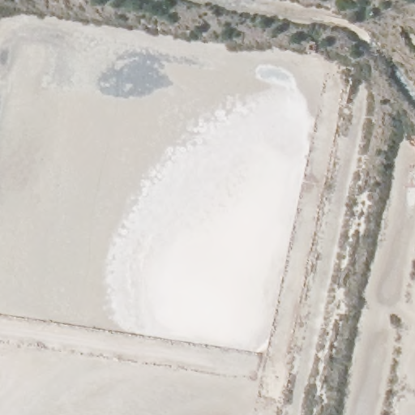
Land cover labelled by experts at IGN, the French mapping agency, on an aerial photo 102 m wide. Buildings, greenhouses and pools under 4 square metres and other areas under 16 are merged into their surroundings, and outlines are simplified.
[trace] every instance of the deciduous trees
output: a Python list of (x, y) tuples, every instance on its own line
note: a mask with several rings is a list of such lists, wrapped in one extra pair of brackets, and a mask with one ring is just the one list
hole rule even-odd
[(366, 6), (370, 0), (337, 0), (337, 10), (352, 10), (353, 18), (350, 21), (358, 23), (365, 21)]

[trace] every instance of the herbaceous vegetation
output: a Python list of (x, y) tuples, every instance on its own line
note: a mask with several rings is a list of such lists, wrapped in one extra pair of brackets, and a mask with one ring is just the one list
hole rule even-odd
[(170, 36), (182, 41), (224, 42), (225, 47), (232, 52), (269, 49), (290, 50), (302, 55), (316, 52), (329, 62), (344, 65), (344, 84), (350, 88), (347, 102), (353, 102), (362, 83), (366, 84), (368, 94), (363, 144), (360, 148), (368, 160), (365, 170), (355, 170), (353, 173), (339, 240), (340, 248), (345, 248), (349, 233), (353, 233), (350, 261), (347, 267), (336, 264), (331, 280), (337, 287), (344, 287), (347, 308), (357, 302), (357, 284), (366, 259), (368, 245), (363, 233), (366, 229), (366, 214), (370, 204), (376, 203), (379, 198), (378, 188), (374, 188), (373, 183), (381, 180), (384, 159), (376, 156), (376, 151), (387, 149), (389, 146), (389, 136), (392, 133), (391, 118), (399, 110), (405, 110), (410, 122), (415, 125), (415, 110), (407, 104), (396, 86), (389, 86), (384, 63), (391, 57), (396, 62), (397, 76), (405, 76), (415, 86), (415, 0), (370, 0), (366, 6), (365, 21), (358, 23), (371, 36), (370, 41), (365, 42), (360, 39), (357, 32), (337, 24), (293, 23), (289, 19), (280, 19), (276, 16), (242, 13), (216, 3), (193, 0), (0, 0), (0, 19), (16, 15), (32, 15), (37, 18), (52, 16), (94, 26), (112, 26), (128, 31), (138, 29), (148, 32), (151, 36)]
[(337, 10), (337, 0), (285, 0), (284, 6), (293, 10), (300, 10), (300, 6), (321, 8), (350, 21), (353, 18), (352, 10)]
[(323, 397), (316, 396), (316, 384), (308, 384), (303, 399), (302, 415), (344, 415), (349, 371), (358, 329), (350, 326), (350, 323), (345, 323), (344, 318), (340, 316), (334, 323), (334, 337), (331, 339), (329, 355), (324, 366), (323, 384), (326, 386), (327, 404), (324, 404)]

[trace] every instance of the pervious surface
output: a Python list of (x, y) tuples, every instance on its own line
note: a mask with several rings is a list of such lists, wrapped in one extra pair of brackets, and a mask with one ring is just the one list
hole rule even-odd
[(370, 277), (365, 289), (365, 306), (358, 321), (358, 329), (349, 371), (344, 415), (415, 415), (415, 136), (410, 141), (404, 139), (397, 151), (392, 173), (391, 196), (381, 220), (378, 246), (371, 263)]
[(370, 41), (371, 36), (358, 23), (350, 21), (321, 8), (300, 6), (300, 10), (293, 10), (284, 6), (285, 0), (193, 0), (216, 3), (242, 13), (276, 16), (280, 19), (289, 19), (293, 23), (337, 24), (357, 32), (360, 39), (365, 42)]
[(52, 16), (37, 18), (32, 15), (16, 15), (0, 19), (0, 415), (302, 415), (303, 399), (308, 384), (316, 384), (316, 396), (323, 397), (324, 404), (327, 404), (326, 386), (323, 384), (324, 366), (329, 355), (331, 339), (334, 337), (334, 323), (340, 316), (347, 308), (344, 287), (337, 287), (331, 280), (336, 264), (347, 267), (350, 261), (353, 233), (349, 233), (345, 248), (340, 248), (339, 240), (353, 173), (355, 170), (365, 170), (368, 160), (360, 148), (363, 144), (368, 94), (366, 84), (362, 83), (353, 102), (347, 102), (350, 88), (344, 84), (344, 65), (329, 62), (316, 52), (302, 55), (290, 50), (269, 49), (232, 52), (225, 47), (224, 42), (182, 41), (170, 36), (151, 36), (148, 32), (138, 29), (128, 31), (112, 26), (94, 26)]

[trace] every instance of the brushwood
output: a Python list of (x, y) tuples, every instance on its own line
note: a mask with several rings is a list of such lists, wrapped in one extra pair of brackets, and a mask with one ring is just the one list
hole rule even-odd
[(389, 136), (389, 146), (387, 149), (376, 151), (376, 156), (384, 159), (381, 180), (373, 183), (374, 188), (378, 188), (379, 198), (376, 203), (370, 204), (366, 214), (366, 229), (363, 233), (368, 245), (366, 259), (357, 284), (357, 302), (347, 308), (340, 316), (344, 318), (345, 323), (350, 323), (350, 326), (358, 329), (358, 321), (365, 306), (365, 289), (370, 277), (371, 263), (378, 246), (381, 220), (391, 196), (392, 173), (397, 151), (404, 139), (410, 141), (415, 136), (415, 125), (410, 122), (405, 110), (399, 110), (391, 118), (392, 133)]
[(396, 86), (407, 104), (415, 110), (415, 86), (405, 76), (397, 76), (396, 62), (391, 57), (384, 63), (389, 86)]

